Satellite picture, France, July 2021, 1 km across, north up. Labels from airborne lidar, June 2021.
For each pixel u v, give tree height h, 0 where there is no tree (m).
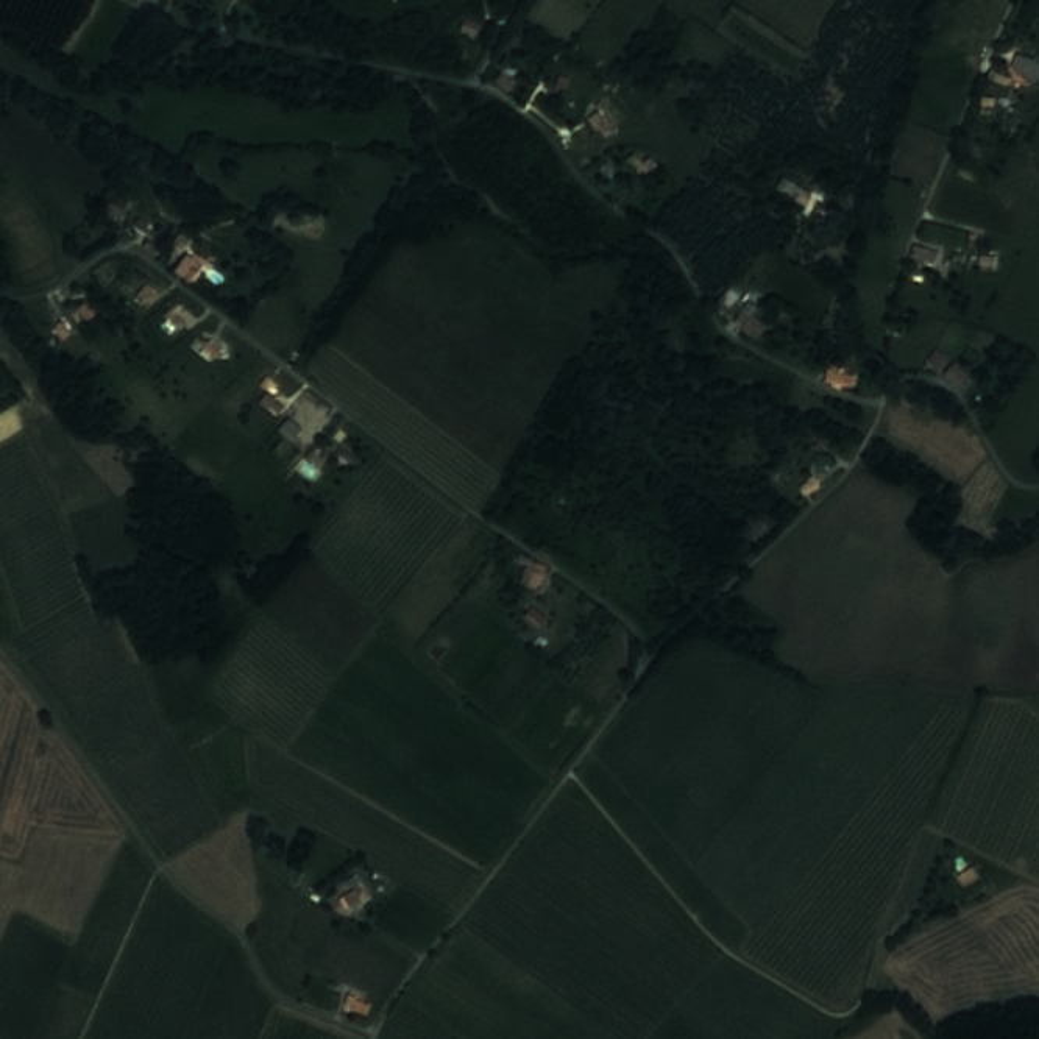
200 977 0
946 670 0
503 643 0
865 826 0
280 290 7
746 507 7
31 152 0
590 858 0
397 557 0
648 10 0
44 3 19
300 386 0
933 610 0
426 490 0
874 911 0
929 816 0
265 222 17
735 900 0
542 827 0
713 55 0
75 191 0
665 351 20
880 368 33
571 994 0
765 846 0
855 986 0
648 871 0
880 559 0
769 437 7
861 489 0
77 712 0
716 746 0
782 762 0
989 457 0
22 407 0
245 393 0
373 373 0
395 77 11
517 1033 0
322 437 13
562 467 10
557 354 0
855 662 0
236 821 0
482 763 0
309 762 0
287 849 29
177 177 27
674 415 9
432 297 0
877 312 0
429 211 14
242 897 0
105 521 0
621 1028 0
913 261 11
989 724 0
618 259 23
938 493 15
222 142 9
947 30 0
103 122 27
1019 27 7
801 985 0
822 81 8
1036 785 0
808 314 0
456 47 10
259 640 0
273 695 0
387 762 0
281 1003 0
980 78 8
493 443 0
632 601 0
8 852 0
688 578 9
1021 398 0
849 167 15
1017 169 0
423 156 15
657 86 13
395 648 0
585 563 0
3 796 0
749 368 0
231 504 8
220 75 19
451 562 0
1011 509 0
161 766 0
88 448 0
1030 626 0
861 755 0
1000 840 0
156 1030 0
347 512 0
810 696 0
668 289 20
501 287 0
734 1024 0
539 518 0
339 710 0
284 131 0
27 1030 0
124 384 0
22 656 0
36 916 0
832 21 5
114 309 13
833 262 11
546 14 0
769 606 0
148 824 0
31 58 14
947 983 0
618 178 9
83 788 0
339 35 23
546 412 11
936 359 0
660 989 0
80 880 0
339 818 0
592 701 0
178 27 24
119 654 0
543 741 0
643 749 0
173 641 20
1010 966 0
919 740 0
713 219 9
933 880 12
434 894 0
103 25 0
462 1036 0
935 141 0
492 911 0
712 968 0
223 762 0
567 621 0
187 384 0
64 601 0
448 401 0
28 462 0
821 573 0
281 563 19
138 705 0
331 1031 0
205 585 16
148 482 11
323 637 0
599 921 0
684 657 0
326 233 0
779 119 6
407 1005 0
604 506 8
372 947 0
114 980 0
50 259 0
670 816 0
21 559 0
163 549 23
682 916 0
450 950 0
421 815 0
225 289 8
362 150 6
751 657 7
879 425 0
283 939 0
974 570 0
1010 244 0
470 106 15
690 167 0
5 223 0
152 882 0
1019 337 0
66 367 12
